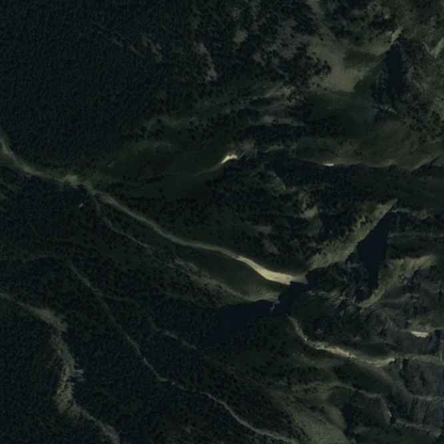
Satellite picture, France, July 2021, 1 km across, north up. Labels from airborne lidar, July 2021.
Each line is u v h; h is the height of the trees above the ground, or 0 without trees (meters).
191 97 24
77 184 0
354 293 0
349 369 0
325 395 0
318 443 0
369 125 0
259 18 7
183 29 21
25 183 14
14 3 31
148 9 27
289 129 13
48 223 24
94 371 15
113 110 28
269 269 0
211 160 0
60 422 20
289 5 5
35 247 25
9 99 30
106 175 0
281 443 6
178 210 8
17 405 23
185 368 14
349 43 0
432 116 7
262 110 0
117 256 0
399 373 0
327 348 0
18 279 23
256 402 14
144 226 6
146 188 0
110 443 8
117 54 29
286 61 8
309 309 0
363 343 0
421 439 0
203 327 13
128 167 0
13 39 32
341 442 0
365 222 13
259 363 0
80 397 16
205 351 6
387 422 0
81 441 20
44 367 10
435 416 0
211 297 9
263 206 22
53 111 29
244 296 0
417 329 0
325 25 0
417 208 7
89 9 26
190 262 0
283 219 8
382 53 0
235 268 0
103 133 32
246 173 11
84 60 24
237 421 15
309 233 0
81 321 19
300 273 0
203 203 0
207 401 24
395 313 0
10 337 27
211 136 14
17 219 17
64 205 19
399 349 0
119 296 19
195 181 0
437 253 0
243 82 0
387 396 0
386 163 0
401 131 0
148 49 14
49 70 30
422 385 0
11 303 7
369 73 0
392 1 0
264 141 9
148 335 22
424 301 0
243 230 0
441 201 0
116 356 16
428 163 0
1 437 15
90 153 29
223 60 16
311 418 0
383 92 9
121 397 12
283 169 13
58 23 29
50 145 27
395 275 0
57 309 18
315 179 12
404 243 0
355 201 9
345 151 0
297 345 0
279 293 0
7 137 0
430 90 0
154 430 16
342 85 0
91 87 29
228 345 22
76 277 11
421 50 9
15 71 24
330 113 0
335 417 0
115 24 27
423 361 0
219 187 27
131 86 28
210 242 0
